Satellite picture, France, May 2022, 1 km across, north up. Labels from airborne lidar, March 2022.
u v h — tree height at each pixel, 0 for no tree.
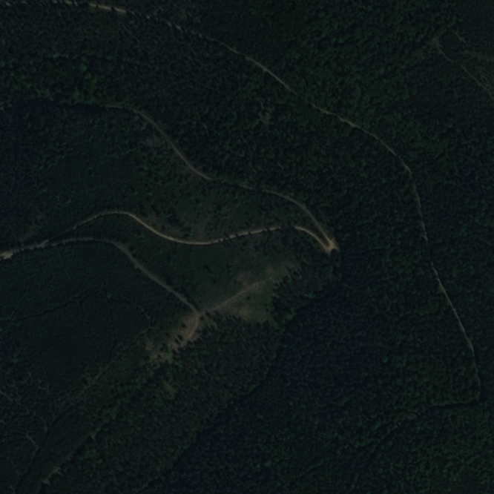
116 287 7
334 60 19
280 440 10
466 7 6
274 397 20
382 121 18
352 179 16
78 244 11
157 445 29
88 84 24
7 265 8
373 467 22
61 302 9
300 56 18
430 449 22
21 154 19
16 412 9
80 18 32
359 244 25
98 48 9
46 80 18
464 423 26
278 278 0
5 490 13
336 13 14
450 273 22
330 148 18
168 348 19
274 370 24
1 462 8
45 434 8
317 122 17
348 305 27
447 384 30
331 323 35
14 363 8
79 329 7
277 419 14
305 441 11
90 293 9
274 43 11
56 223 8
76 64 21
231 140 23
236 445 31
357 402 30
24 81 21
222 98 17
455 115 13
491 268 29
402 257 21
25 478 14
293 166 15
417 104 14
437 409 24
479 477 11
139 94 11
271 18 12
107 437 30
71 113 29
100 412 9
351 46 15
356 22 17
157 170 23
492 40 7
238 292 0
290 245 35
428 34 15
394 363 20
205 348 29
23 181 22
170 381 26
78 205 7
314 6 12
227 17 16
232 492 32
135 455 30
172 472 8
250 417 19
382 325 22
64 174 6
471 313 23
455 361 26
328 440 10
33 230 0
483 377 17
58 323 7
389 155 17
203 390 33
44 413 7
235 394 35
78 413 15
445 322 22
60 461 17
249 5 9
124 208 8
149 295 6
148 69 33
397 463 22
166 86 14
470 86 7
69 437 13
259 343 33
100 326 6
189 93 14
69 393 7
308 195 22
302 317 18
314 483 12
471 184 10
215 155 24
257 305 0
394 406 20
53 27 35
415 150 19
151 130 30
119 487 32
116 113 10
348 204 21
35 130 30
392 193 20
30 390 7
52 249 8
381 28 20
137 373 25
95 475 30
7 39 32
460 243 25
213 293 0
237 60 15
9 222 24
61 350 8
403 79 17
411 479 7
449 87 8
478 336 19
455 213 24
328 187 18
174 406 31
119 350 7
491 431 25
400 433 16
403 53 23
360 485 13
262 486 33
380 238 18
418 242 27
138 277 12
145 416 34
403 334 23
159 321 7
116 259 8
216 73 31
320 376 30
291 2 12
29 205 19
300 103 19
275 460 12
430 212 17
